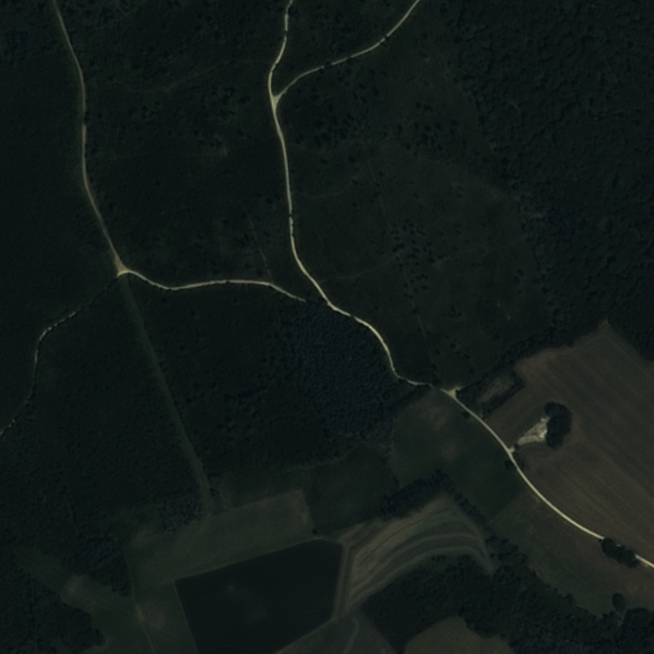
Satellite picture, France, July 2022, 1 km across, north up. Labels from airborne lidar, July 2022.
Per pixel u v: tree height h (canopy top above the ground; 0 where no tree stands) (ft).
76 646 69
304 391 27
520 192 74
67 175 44
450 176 0
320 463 41
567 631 66
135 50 28
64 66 41
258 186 22
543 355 0
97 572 48
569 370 0
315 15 19
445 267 0
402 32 20
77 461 51
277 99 0
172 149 20
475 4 75
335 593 0
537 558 0
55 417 59
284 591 0
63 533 52
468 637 0
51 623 66
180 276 27
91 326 43
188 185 22
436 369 60
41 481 54
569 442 0
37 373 35
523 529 0
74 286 64
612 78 80
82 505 48
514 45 79
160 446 51
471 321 0
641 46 68
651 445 0
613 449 0
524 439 0
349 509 0
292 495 0
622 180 74
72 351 54
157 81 20
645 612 48
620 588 0
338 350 91
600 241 73
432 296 0
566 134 66
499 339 61
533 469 0
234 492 0
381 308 32
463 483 0
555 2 83
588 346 0
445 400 0
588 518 0
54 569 0
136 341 47
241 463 30
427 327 0
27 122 44
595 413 0
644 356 23
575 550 0
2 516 50
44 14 67
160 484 46
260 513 0
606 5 80
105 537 39
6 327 52
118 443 47
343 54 59
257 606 0
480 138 0
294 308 39
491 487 0
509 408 0
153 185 22
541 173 58
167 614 0
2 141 56
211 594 0
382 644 0
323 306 54
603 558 0
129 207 25
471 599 37
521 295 21
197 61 20
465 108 0
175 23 21
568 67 79
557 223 56
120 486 46
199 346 29
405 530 0
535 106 65
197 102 30
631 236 78
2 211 58
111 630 0
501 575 23
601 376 0
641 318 49
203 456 49
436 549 0
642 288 43
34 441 45
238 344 28
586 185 65
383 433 51
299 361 23
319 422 28
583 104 70
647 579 0
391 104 0
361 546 0
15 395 41
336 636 0
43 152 48
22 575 22
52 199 53
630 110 76
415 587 34
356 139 60
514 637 19
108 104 21
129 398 53
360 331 72
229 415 21
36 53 30
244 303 27
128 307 35
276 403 30
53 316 33
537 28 92
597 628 23
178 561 0
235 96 73
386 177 57
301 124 24
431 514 0
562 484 0
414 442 0
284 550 0
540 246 65
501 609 48
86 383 53
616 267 80
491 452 0
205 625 0
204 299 23
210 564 0
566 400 0
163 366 39
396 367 26
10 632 37
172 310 23
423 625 18
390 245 0
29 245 58
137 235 24
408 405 54
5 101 58
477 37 55
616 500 0
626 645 73
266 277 62
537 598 43
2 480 65
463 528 0
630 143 70
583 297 62
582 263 64
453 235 0
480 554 0
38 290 49
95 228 50
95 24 61
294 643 0
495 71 83
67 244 51
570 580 0
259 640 0
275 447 21
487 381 26
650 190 52
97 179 32
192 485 54
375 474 0
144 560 0
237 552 0
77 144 40
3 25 22
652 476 0
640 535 0
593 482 0
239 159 18
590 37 22
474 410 23
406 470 0
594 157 73
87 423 47
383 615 23
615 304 64
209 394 33
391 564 0
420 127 62
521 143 68
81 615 51
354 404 73
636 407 0
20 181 50
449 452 0
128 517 0
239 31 22
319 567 0
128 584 47
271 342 35
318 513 0
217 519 0
